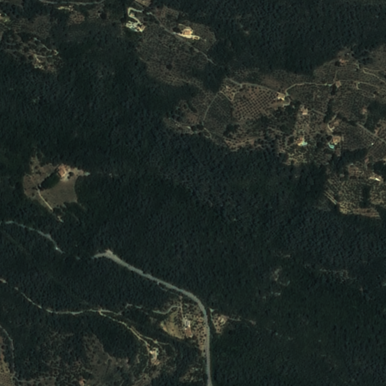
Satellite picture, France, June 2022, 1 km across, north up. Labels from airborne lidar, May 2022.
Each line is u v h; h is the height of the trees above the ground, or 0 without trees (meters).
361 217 19
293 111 9
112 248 13
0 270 16
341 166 8
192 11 6
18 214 8
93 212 14
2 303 6
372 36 10
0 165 14
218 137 5
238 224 16
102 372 0
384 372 21
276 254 9
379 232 13
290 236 17
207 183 16
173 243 6
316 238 18
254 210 10
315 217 20
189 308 7
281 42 18
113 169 18
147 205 22
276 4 18
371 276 9
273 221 20
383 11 7
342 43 14
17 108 9
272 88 0
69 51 12
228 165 8
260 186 10
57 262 17
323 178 10
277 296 9
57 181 20
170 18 6
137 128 9
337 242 16
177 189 19
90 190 6
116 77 11
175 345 16
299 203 12
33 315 10
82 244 13
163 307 8
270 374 12
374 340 10
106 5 11
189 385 11
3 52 19
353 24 14
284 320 8
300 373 10
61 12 10
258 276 13
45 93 14
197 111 7
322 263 24
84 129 18
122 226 19
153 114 20
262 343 10
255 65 6
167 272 15
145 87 9
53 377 6
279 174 17
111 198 9
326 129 0
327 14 7
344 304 9
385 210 7
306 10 5
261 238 8
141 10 7
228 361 12
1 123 7
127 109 21
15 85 20
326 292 13
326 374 9
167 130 17
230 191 8
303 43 12
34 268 15
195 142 17
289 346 7
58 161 15
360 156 10
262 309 7
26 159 6
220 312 6
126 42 6
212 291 9
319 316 10
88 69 17
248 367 7
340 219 11
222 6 14
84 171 10
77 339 16
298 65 10
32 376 11
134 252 17
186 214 8
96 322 10
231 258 9
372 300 13
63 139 15
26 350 11
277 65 9
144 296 12
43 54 6
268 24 13
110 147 18
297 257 9
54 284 14
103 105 6
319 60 10
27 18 9
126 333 7
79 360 16
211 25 18
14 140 18
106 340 12
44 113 11
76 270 12
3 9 23
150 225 13
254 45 9
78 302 16
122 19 10
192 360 12
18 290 8
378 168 12
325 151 9
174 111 10
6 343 10
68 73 6
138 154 6
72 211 13
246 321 6
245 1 19
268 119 11
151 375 7
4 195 13
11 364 13
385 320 17
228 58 11
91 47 9
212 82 6
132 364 12
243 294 7
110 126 17
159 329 7
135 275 16
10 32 11
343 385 8
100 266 15
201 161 26
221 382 7
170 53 7
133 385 9
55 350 6
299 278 18
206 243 7
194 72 9
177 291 13
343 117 9
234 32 17
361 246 21
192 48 9
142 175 12
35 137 11
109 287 15
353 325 11
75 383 8
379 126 6
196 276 13
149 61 8
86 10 13
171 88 6
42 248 18
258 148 8
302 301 9
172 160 16
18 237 14
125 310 10
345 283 15
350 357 7
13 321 7
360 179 10
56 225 19
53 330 7
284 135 7
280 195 16
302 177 14
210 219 8
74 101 9
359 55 24
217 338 10
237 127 10
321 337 9
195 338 12
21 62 8
